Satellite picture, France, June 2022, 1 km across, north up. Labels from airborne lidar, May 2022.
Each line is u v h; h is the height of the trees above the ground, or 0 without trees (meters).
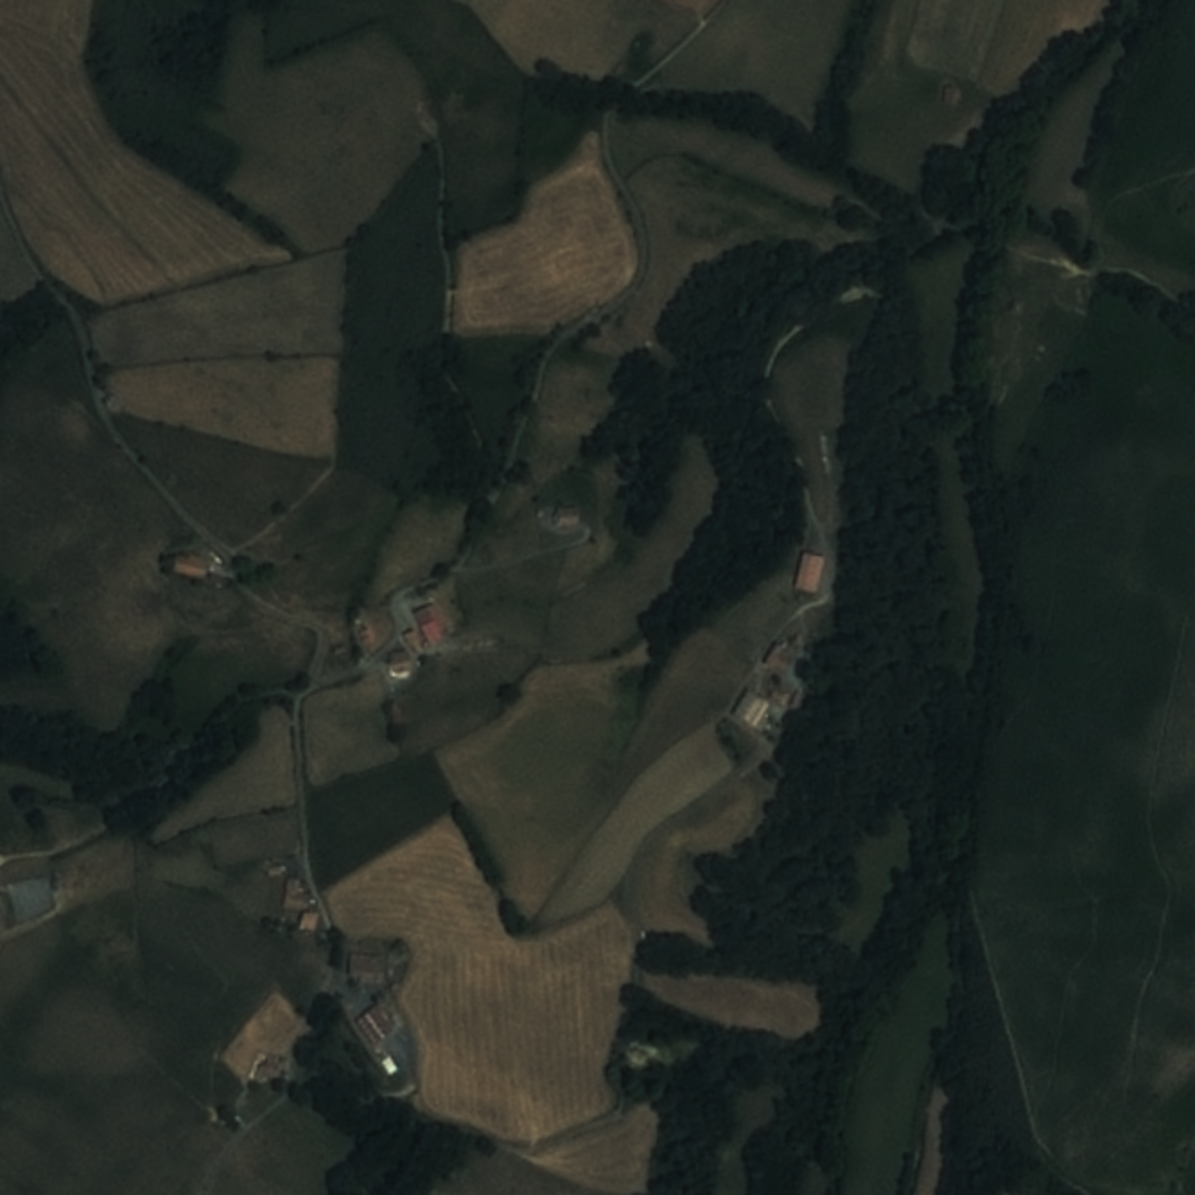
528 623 0
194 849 0
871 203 8
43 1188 0
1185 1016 0
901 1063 0
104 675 0
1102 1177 0
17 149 0
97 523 0
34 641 17
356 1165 19
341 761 0
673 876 0
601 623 0
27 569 0
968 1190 12
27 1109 0
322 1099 19
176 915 0
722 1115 23
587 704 0
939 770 19
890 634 30
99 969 0
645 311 0
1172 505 0
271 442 0
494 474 6
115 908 0
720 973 18
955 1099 13
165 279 0
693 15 0
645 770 0
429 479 7
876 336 15
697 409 22
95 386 8
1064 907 0
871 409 23
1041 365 0
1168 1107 0
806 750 25
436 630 0
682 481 0
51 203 0
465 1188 0
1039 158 0
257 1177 0
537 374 6
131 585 0
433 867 0
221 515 0
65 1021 0
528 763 0
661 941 18
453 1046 0
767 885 13
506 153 0
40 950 0
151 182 0
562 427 0
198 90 6
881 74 0
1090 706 0
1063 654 0
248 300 0
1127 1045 0
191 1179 0
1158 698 0
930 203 20
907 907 26
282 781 0
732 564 30
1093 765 0
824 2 0
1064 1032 0
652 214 0
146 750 24
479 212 0
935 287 0
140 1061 0
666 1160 23
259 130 0
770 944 24
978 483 15
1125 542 0
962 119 0
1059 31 0
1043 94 26
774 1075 17
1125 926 0
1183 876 0
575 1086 0
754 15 0
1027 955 0
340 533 0
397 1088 0
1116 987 0
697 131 0
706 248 0
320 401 0
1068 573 0
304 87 0
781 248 8
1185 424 0
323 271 0
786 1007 0
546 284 0
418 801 0
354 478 0
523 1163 0
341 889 0
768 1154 27
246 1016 0
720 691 0
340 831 0
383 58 0
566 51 0
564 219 0
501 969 0
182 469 0
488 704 0
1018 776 0
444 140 0
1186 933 0
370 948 0
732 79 0
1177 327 18
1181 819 0
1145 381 0
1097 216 0
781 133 27
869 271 17
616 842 0
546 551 0
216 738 20
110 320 0
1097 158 12
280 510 8
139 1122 0
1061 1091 0
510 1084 0
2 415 0
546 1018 0
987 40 0
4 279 0
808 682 22
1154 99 0
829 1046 14
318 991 0
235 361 0
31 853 0
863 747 28
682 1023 8
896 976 22
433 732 0
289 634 0
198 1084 0
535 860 0
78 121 0
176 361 0
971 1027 9
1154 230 0
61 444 0
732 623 0
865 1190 0
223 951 0
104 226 0
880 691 29
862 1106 0
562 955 0
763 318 16
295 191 0
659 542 0
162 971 0
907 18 0
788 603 0
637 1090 22
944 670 14
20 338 15
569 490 0
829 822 24
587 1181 0
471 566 0
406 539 0
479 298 0
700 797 0
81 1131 0
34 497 0
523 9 0
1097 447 0
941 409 13
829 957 23
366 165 0
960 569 0
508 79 0
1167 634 0
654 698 0
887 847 0
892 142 0
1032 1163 7
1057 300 0
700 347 16
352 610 7
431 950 0
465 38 0
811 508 0
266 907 0
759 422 21
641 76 0
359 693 0
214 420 0
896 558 29
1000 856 0
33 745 25
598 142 0
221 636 0
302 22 0
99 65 7
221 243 0
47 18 0
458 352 16
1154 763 0
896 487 25
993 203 29
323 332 0
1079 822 0
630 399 21
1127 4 23
